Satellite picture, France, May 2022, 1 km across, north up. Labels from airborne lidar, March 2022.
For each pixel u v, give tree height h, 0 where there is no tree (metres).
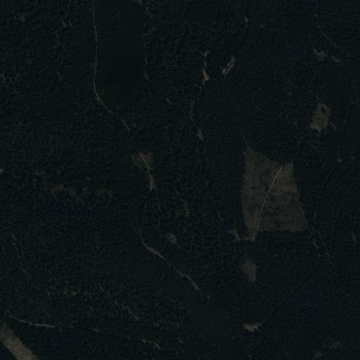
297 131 26
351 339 22
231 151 21
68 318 17
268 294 16
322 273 24
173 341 21
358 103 19
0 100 10
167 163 26
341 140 10
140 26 8
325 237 19
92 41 6
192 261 25
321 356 0
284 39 30
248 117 22
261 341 17
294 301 24
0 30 7
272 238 15
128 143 24
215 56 21
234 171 18
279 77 18
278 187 0
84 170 21
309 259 13
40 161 15
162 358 27
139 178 15
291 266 20
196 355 28
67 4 17
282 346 21
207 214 20
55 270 13
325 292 29
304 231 0
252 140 21
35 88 15
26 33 22
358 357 22
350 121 15
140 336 23
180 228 28
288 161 19
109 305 27
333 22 16
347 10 20
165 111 23
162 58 22
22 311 21
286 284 22
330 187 21
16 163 23
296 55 23
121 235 18
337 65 11
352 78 23
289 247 13
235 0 14
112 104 7
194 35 19
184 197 28
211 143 18
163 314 17
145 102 25
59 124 11
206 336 20
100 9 7
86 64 8
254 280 0
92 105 7
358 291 21
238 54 23
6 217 26
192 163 22
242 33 11
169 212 9
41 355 17
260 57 26
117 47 8
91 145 9
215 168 20
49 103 11
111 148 12
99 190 9
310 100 25
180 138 29
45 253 15
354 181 22
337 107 12
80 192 27
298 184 16
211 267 27
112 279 18
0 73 23
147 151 25
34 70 15
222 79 17
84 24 8
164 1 21
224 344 20
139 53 8
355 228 18
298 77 25
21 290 22
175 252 23
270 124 18
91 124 18
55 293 24
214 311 18
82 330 33
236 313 23
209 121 19
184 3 15
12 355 20
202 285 25
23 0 7
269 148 16
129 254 17
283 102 18
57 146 8
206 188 25
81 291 24
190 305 19
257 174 0
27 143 18
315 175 20
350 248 15
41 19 28
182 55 28
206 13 22
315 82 18
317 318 23
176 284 20
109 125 16
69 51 8
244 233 19
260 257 25
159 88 25
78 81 10
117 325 18
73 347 31
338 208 23
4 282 21
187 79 30
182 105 30
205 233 20
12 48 12
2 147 21
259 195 0
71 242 25
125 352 30
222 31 19
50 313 23
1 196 25
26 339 19
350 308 19
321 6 22
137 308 14
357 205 18
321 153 11
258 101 20
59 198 26
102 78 6
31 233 24
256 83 20
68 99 10
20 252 17
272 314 20
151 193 12
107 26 6
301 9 22
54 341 34
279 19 21
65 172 26
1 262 23
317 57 22
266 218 0
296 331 17
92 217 28
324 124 0
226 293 31
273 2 18
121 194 9
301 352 18
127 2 7
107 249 11
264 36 10
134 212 26
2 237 21
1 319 22
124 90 6
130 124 22
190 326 16
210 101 19
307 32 21
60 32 18
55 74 16
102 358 33
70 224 22
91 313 13
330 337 22
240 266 19
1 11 7
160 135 26
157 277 15
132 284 11
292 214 0
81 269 16
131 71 8
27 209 26
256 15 15
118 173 25
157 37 23
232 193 20
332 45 14
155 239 17
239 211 21
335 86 14
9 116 24
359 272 19
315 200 22
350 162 11
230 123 22
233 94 22
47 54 17
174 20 23
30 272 18
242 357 28
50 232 22
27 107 9
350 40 16
